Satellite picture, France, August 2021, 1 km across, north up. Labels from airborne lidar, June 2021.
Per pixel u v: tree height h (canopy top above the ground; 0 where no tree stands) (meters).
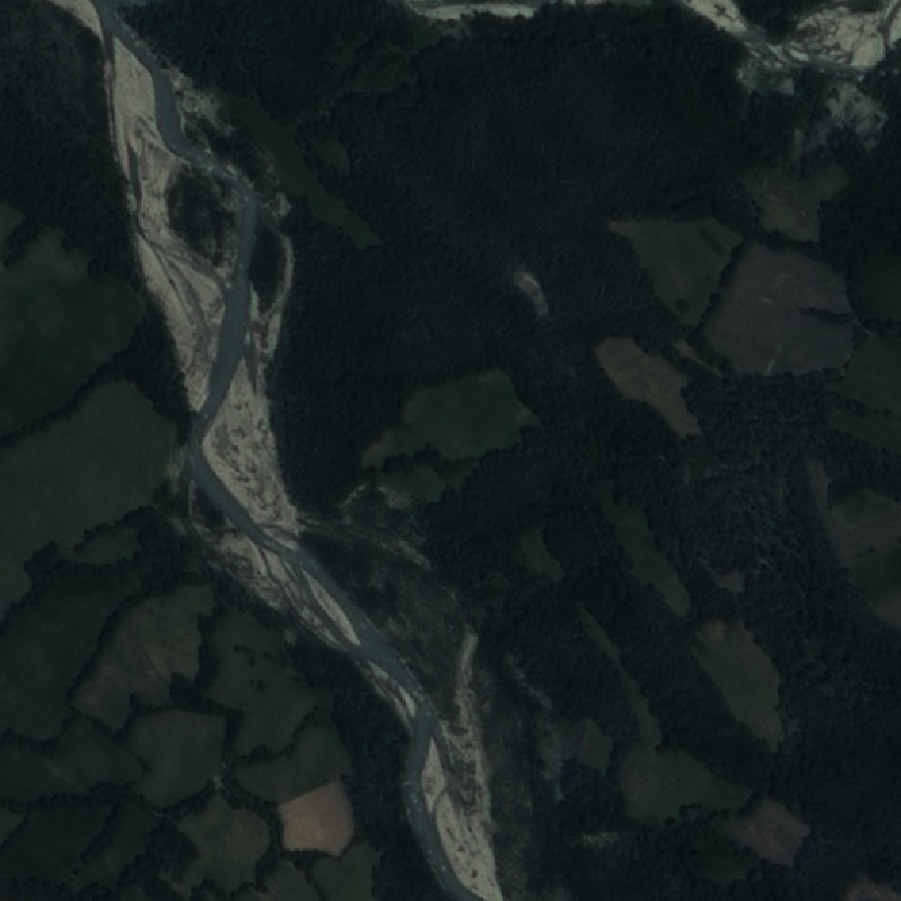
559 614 22
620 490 13
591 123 20
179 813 9
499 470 17
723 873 0
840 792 20
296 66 20
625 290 19
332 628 0
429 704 0
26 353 0
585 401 21
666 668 25
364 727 18
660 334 20
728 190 21
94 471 0
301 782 0
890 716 22
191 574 7
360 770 13
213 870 0
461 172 15
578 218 17
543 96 23
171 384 11
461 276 14
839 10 0
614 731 23
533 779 6
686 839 14
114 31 0
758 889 20
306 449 13
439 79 24
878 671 12
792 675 15
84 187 15
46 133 13
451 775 0
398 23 17
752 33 0
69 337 0
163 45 16
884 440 0
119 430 0
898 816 20
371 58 19
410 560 7
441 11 0
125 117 0
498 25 16
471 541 13
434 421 0
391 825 16
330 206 0
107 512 0
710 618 13
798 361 0
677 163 18
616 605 17
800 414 20
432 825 0
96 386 15
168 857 9
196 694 17
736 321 0
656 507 21
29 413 0
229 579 9
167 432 0
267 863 9
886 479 19
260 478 0
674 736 23
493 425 0
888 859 21
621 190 15
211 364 0
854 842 24
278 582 0
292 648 7
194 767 0
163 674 0
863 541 0
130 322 0
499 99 17
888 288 0
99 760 0
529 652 17
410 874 17
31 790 0
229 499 0
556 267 18
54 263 0
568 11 21
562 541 16
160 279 0
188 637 0
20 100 16
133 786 11
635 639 20
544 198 18
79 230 16
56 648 0
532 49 17
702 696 25
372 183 18
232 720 10
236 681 0
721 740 21
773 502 17
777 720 0
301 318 14
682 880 6
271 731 0
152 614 0
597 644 11
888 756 21
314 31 22
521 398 11
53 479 0
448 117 19
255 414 0
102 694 0
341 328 21
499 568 14
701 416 20
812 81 6
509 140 23
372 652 0
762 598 15
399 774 12
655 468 9
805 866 22
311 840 0
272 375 7
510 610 11
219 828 0
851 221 17
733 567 11
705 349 15
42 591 15
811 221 0
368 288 22
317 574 0
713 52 21
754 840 0
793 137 21
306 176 0
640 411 15
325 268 14
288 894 0
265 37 15
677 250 0
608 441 7
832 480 11
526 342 20
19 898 14
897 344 0
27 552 0
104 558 0
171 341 8
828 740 23
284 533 0
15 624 15
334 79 24
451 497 14
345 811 0
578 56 17
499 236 18
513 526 25
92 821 0
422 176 18
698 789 0
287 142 0
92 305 0
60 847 0
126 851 0
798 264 0
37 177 20
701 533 14
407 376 24
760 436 20
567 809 8
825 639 16
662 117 22
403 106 16
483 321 20
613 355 0
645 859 17
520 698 8
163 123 0
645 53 12
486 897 0
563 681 24
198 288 0
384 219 21
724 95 19
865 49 0
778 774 22
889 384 0
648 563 0
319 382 16
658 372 0
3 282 0
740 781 20
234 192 0
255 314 0
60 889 9
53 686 0
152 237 0
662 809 0
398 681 0
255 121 0
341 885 0
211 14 12
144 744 0
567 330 18
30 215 19
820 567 23
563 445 11
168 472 0
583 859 8
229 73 19
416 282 20
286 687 0
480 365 16
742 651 0
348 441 21
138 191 0
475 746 0
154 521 10
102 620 0
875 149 8
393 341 14
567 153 22
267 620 9
